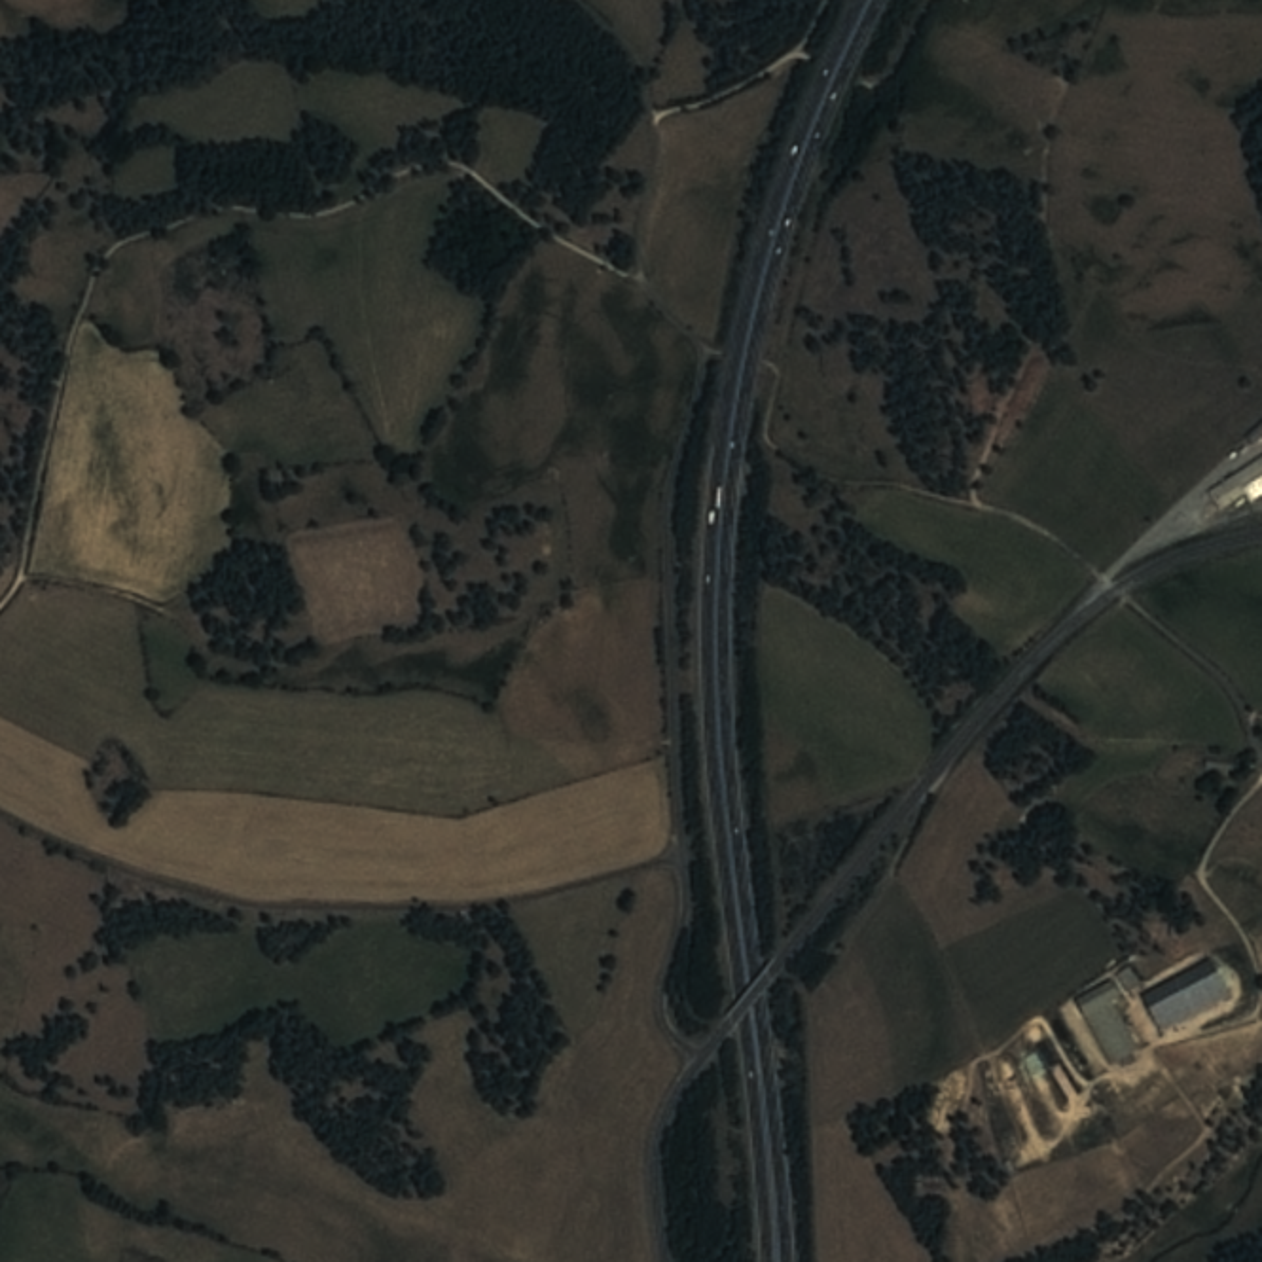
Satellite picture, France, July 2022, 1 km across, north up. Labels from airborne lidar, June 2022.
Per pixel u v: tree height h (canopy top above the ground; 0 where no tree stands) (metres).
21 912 0
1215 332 0
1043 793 20
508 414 0
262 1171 0
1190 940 0
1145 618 0
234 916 15
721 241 0
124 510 0
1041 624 0
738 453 0
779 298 0
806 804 0
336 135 14
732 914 0
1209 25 0
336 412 0
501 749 0
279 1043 24
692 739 11
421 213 0
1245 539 0
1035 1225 0
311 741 0
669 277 0
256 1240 0
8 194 0
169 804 0
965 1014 0
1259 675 0
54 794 0
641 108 15
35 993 0
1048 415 0
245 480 0
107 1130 0
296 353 0
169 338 0
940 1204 20
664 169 0
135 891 0
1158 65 0
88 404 0
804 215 7
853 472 0
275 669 11
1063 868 13
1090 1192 0
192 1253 0
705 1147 9
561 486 0
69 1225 0
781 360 0
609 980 9
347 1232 0
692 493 10
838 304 0
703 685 0
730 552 0
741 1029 0
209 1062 18
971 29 0
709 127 0
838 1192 0
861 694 0
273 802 0
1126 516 0
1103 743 0
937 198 22
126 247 0
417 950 0
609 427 0
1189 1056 0
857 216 0
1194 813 0
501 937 21
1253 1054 0
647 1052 0
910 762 0
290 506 0
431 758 0
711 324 0
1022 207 19
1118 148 0
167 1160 0
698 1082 10
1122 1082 0
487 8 21
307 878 0
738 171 0
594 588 0
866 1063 0
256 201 13
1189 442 0
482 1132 0
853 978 0
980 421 10
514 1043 23
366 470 0
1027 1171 0
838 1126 0
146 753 0
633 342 0
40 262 0
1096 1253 20
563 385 0
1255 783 0
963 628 17
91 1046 0
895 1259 0
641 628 0
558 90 20
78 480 0
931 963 0
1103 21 0
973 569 0
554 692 0
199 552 0
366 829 0
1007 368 14
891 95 10
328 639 0
